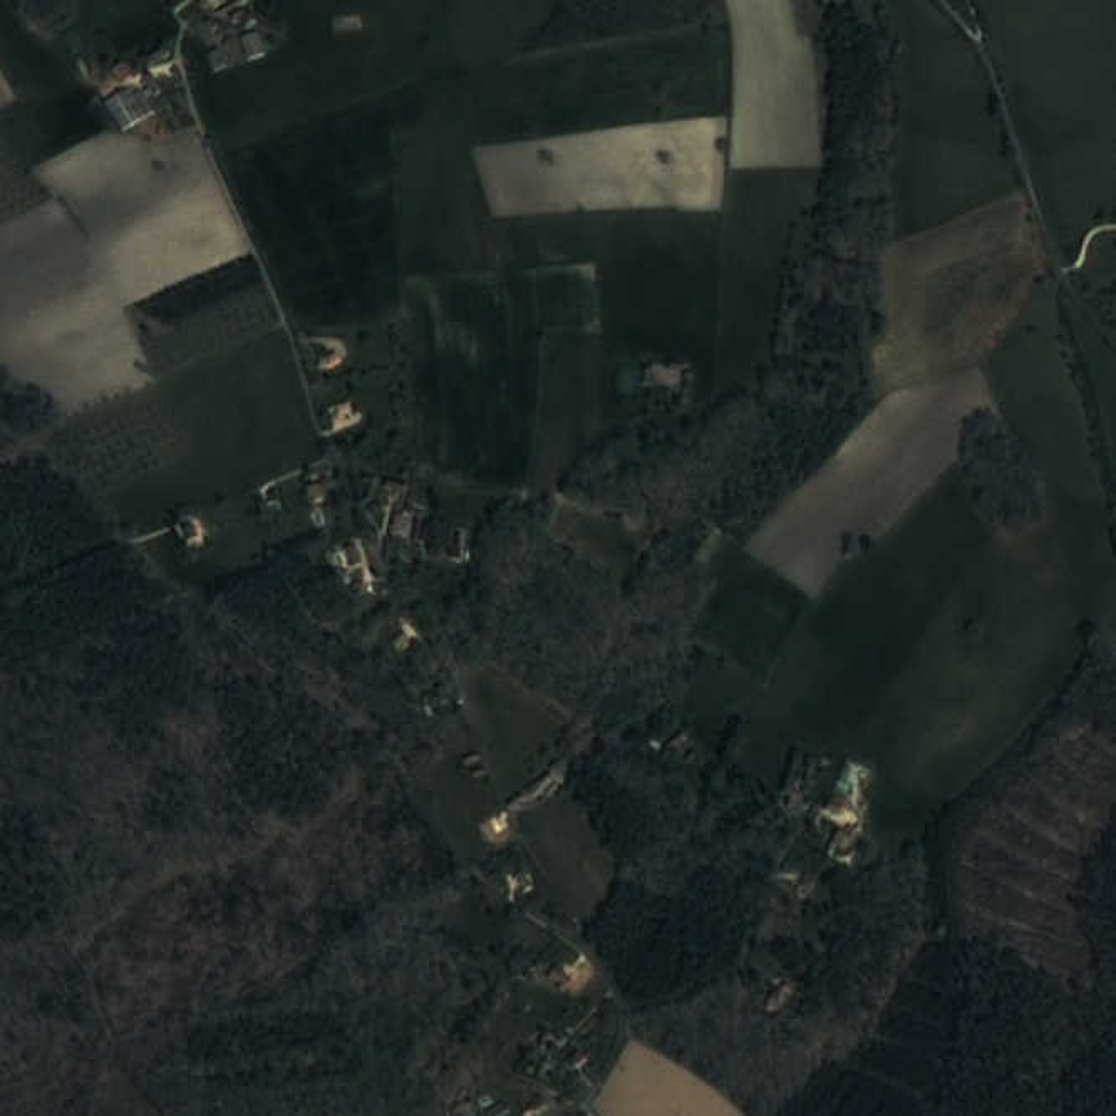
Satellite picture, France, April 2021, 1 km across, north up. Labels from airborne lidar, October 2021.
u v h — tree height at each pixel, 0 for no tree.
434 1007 15
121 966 21
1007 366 0
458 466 0
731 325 0
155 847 15
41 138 0
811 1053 20
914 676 0
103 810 13
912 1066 9
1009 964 17
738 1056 20
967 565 0
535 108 0
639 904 19
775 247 0
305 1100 14
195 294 10
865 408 13
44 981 17
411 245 0
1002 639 0
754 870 26
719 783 23
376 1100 14
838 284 14
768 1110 18
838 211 13
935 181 0
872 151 22
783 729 0
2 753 13
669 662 14
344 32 0
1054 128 0
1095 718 10
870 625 0
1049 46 0
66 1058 7
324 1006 14
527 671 15
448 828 0
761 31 0
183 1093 18
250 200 0
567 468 0
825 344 16
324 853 6
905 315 0
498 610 19
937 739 0
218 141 10
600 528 0
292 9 0
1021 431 0
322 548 18
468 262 0
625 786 16
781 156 0
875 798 0
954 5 7
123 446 13
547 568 24
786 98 0
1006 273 0
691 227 0
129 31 0
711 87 0
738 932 17
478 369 0
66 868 13
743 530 5
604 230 0
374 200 0
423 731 20
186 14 0
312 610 23
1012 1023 20
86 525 21
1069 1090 14
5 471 0
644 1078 0
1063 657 0
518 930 0
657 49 0
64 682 12
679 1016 16
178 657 24
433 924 9
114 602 21
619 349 0
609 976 0
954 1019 9
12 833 21
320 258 0
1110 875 21
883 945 24
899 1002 8
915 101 0
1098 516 0
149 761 20
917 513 0
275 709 0
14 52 0
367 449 8
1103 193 0
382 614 12
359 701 20
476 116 0
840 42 10
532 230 0
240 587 19
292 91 0
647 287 0
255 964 15
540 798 6
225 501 8
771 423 23
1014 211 0
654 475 24
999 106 13
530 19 0
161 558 0
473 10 0
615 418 0
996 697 0
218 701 28
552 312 0
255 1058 16
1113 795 0
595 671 19
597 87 0
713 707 0
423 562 7
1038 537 0
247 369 0
